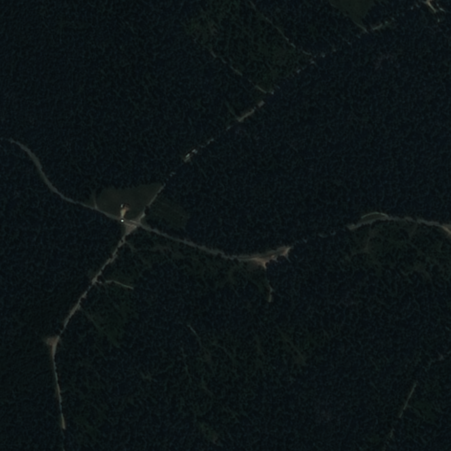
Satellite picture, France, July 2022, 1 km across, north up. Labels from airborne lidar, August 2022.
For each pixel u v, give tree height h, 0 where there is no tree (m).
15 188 34
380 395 29
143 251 11
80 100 21
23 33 8
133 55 32
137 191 0
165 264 11
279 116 26
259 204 21
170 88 15
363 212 6
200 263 0
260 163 10
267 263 0
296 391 23
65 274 29
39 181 29
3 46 14
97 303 11
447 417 25
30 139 26
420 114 29
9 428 15
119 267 17
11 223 29
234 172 29
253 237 7
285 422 25
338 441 22
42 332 7
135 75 15
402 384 16
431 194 33
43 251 18
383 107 32
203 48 18
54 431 21
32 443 11
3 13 18
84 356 30
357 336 27
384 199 36
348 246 26
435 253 9
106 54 10
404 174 38
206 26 20
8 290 11
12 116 21
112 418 27
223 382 11
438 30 7
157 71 31
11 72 13
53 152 25
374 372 31
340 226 22
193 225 28
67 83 16
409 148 34
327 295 31
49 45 12
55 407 24
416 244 12
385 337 32
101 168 32
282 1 33
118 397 31
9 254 23
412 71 32
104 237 19
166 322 36
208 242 29
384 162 34
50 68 19
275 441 23
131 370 32
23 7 16
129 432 21
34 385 14
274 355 17
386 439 6
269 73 8
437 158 31
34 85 23
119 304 34
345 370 35
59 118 19
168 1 33
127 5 10
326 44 26
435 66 18
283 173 26
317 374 33
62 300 6
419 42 30
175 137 28
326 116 29
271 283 27
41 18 15
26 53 18
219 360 11
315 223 25
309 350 16
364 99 16
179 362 6
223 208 27
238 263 19
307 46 29
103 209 0
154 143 34
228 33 6
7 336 16
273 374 7
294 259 34
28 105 25
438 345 11
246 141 35
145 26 34
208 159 32
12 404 7
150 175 14
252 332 33
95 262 6
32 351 8
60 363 12
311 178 26
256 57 9
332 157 28
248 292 29
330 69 31
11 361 10
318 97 34
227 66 11
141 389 31
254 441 16
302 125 32
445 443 24
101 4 13
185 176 28
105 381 27
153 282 33
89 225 32
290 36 28
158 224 18
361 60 31
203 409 21
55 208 14
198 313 6
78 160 6
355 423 33
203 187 13
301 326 32
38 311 14
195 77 31
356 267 19
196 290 36
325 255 34
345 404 29
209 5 12
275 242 6
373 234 0
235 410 8
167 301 32
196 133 33
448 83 38
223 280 6
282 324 32
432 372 32
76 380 9
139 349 36
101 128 20
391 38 31
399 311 11
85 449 27
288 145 20
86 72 7
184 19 31
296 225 32
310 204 31
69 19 8
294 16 29
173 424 28
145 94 34
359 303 21
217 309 30
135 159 7
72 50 19
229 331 11
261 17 0
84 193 6
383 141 31
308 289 6
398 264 10
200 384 18
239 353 15
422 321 31
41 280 12
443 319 7
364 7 0
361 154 6
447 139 37
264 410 11
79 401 29
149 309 36
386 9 29
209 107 19
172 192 30
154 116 11
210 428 8
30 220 10
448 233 0
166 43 32
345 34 38
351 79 36
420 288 33
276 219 28
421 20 31
